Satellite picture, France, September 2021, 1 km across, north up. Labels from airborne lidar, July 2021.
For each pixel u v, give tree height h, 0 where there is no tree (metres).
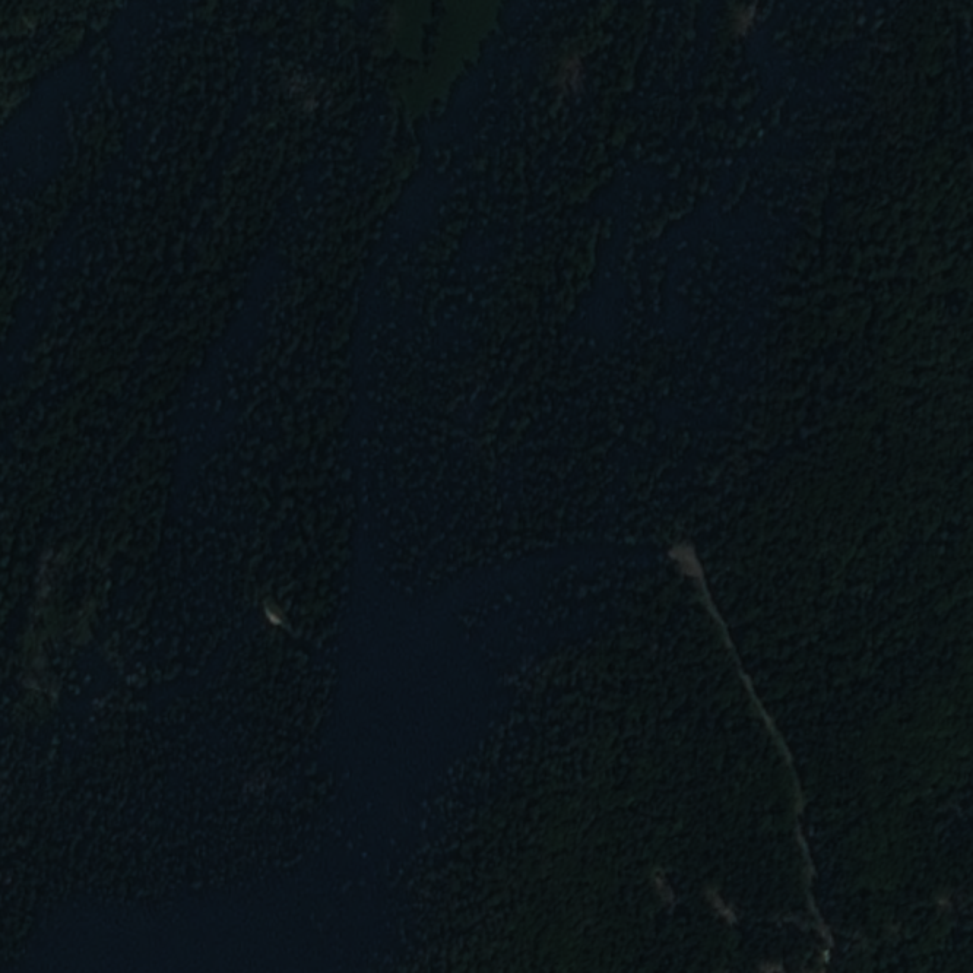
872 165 24
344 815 20
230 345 31
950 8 27
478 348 29
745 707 24
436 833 15
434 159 30
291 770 28
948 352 21
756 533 30
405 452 39
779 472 29
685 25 27
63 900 27
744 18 32
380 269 38
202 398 42
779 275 25
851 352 30
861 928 28
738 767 29
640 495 33
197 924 27
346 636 25
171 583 27
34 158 6
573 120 16
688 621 29
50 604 14
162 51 30
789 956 26
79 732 9
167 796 27
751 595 33
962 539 28
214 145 31
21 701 11
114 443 39
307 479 37
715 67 31
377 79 12
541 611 33
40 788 22
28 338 8
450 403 37
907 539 21
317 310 30
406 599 38
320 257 28
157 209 23
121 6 16
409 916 17
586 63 38
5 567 30
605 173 26
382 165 28
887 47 26
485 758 17
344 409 29
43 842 29
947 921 34
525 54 33
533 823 24
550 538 24
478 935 17
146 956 25
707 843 36
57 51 19
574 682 18
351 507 37
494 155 39
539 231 22
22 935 26
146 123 22
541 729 16
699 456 29
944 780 28
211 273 23
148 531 34
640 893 25
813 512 22
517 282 37
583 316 21
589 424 35
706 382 34
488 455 32
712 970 27
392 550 34
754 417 25
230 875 28
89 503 29
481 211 37
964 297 28
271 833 23
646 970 26
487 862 21
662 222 45
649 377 38
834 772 24
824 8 40
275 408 28
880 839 36
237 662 25
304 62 18
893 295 30
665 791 33
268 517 26
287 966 17
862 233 33
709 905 30
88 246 26
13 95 13
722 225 17
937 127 8
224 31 23
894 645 23
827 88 26
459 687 20
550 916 28
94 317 27
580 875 18
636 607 16
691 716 34
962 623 28
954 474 18
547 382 32
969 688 34
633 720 30
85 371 26
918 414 30
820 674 27
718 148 27
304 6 25
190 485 29
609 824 24
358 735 16
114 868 26
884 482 22
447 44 0
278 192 38
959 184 16
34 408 29
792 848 25
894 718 27
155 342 23
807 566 26
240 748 28
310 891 16
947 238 26
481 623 37
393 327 39
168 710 27
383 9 29
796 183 33
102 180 24
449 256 32
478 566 32
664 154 25
